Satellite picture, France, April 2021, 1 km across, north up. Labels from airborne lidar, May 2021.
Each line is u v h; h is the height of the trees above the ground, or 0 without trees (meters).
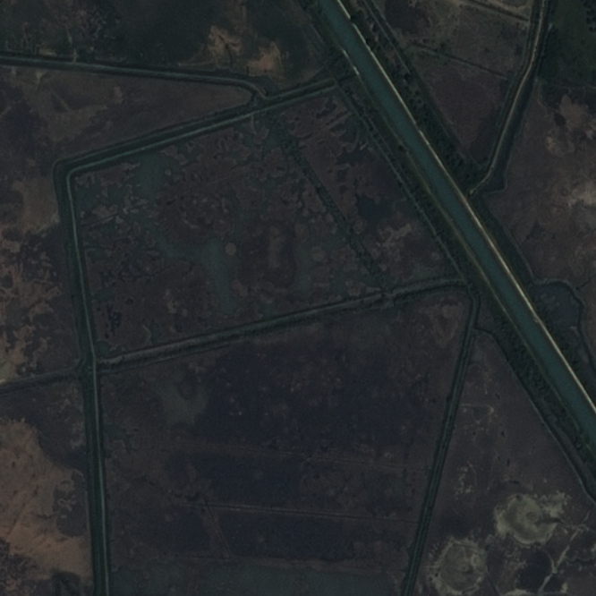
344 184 0
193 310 0
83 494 0
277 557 0
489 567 0
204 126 0
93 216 0
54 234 0
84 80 0
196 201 0
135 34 0
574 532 0
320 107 0
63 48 0
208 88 0
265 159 0
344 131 0
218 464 0
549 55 8
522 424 0
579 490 0
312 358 0
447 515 0
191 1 0
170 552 0
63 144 0
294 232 0
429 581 0
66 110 0
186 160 0
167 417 0
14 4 0
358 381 0
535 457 0
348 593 0
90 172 0
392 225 0
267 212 0
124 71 0
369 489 0
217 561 0
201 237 0
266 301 0
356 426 0
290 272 0
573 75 0
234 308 0
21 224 0
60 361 0
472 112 0
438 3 0
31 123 0
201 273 0
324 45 0
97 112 0
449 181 0
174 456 0
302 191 0
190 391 0
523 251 0
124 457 0
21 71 0
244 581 0
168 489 0
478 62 0
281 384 0
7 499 0
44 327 0
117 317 0
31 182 0
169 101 0
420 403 0
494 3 0
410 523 0
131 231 0
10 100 0
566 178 0
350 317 0
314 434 0
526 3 0
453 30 0
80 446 0
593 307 0
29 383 0
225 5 0
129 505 0
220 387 0
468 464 0
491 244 0
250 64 0
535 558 0
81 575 0
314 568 0
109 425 0
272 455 0
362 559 0
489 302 6
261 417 0
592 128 0
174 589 0
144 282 0
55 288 0
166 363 0
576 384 0
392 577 0
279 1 0
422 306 0
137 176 0
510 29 0
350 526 0
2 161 0
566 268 0
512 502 0
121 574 0
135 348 0
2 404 0
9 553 0
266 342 0
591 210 0
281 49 0
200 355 0
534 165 0
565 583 0
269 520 0
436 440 0
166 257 0
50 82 0
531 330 0
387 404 0
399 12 0
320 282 0
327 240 0
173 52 0
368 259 7
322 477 0
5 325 0
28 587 0
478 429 0
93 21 0
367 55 0
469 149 0
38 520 0
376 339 0
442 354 0
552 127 0
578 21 0
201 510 0
